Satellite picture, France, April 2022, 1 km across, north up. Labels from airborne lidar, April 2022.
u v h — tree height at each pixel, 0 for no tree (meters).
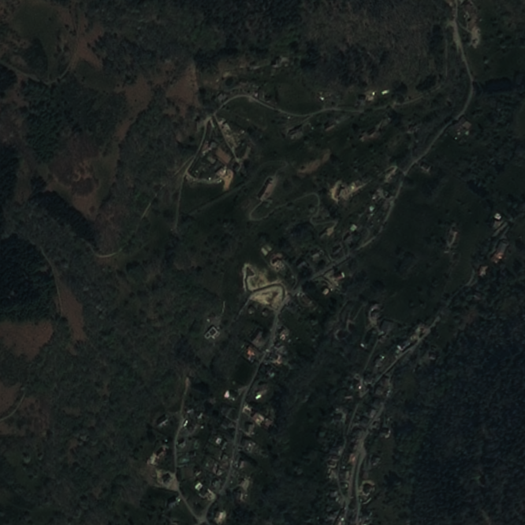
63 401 11
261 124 0
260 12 24
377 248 0
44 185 14
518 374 28
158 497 0
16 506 0
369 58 30
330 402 20
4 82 17
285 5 32
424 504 21
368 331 0
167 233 0
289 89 0
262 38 21
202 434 0
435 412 21
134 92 0
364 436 0
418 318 0
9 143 16
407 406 8
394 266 0
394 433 0
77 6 10
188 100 0
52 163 13
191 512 0
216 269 7
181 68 6
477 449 29
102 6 28
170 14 27
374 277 0
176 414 0
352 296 24
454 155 0
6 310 20
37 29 0
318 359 24
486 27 0
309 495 17
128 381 20
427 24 22
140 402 20
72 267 13
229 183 0
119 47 18
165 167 8
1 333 0
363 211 10
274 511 21
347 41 24
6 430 0
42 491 14
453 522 24
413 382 0
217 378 17
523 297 19
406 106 0
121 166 22
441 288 0
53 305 21
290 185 18
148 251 15
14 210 21
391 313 0
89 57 0
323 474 0
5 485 0
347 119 0
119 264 0
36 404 11
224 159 0
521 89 20
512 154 10
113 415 21
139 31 20
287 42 17
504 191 0
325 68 28
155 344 13
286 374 21
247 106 0
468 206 0
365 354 9
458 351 19
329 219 7
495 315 16
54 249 19
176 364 19
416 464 12
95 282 19
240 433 0
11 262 23
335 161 22
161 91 14
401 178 12
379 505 0
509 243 7
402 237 0
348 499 0
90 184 14
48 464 18
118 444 19
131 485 15
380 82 22
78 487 23
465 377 24
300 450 0
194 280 15
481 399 22
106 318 8
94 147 11
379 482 0
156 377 8
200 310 19
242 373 0
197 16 29
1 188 26
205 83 0
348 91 18
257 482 15
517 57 0
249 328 0
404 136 11
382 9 15
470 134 7
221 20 28
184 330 16
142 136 22
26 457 16
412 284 0
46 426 15
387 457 0
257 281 0
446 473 29
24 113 18
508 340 16
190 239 15
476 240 0
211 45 26
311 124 0
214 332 0
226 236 7
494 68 0
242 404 0
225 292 0
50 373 16
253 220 0
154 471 0
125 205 22
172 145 27
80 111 6
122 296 0
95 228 11
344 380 10
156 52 15
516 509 24
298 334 0
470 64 0
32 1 0
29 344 0
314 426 0
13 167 21
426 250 0
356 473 0
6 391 0
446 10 23
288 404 25
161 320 15
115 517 9
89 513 16
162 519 16
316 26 14
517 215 23
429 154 0
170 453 16
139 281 17
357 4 17
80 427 13
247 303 14
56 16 0
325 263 10
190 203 0
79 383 17
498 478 20
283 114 0
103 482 16
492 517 22
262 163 0
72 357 9
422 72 22
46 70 0
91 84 0
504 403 20
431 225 0
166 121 23
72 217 15
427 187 0
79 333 0
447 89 6
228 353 24
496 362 30
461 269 0
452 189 0
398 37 16
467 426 17
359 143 0
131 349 16
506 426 27
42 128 21
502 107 7
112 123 8
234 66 7
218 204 0
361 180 6
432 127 23
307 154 0
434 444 25
